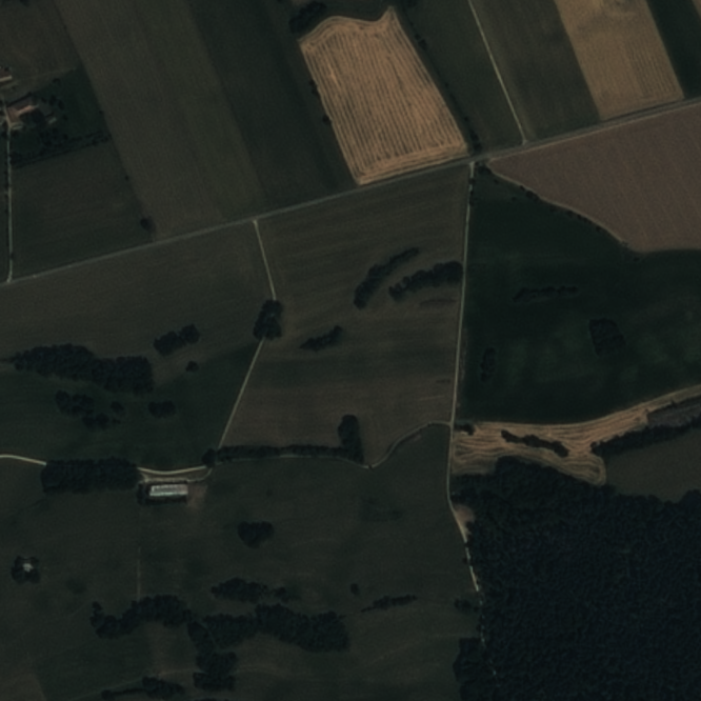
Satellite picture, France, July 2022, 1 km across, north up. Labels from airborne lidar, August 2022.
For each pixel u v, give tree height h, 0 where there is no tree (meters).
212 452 13
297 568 0
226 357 0
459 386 0
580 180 0
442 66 0
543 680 33
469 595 0
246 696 0
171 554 0
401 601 10
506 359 0
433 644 0
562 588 31
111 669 0
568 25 0
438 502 0
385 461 0
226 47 0
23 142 0
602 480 0
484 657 20
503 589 22
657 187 0
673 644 24
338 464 0
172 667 0
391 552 0
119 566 0
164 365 0
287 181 0
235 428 0
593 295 0
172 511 0
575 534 30
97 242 0
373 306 0
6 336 0
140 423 0
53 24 0
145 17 0
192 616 10
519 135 0
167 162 0
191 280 0
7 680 0
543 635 30
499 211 0
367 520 0
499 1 0
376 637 0
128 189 0
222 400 0
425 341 0
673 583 29
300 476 0
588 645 32
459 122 0
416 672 0
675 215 0
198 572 0
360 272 0
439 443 0
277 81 0
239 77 0
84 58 0
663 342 0
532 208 0
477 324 0
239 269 0
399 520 0
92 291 0
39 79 0
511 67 0
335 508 0
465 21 0
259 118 0
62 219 0
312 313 0
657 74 0
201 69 0
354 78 0
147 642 0
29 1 9
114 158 0
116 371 24
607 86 0
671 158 0
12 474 0
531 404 0
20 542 0
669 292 0
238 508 0
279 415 0
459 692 0
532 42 0
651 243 0
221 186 0
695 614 28
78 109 0
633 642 34
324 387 0
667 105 0
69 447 0
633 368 0
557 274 0
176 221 0
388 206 0
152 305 0
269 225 0
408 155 0
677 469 0
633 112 0
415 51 0
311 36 0
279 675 0
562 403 0
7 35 0
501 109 0
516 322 0
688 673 33
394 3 0
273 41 0
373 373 0
